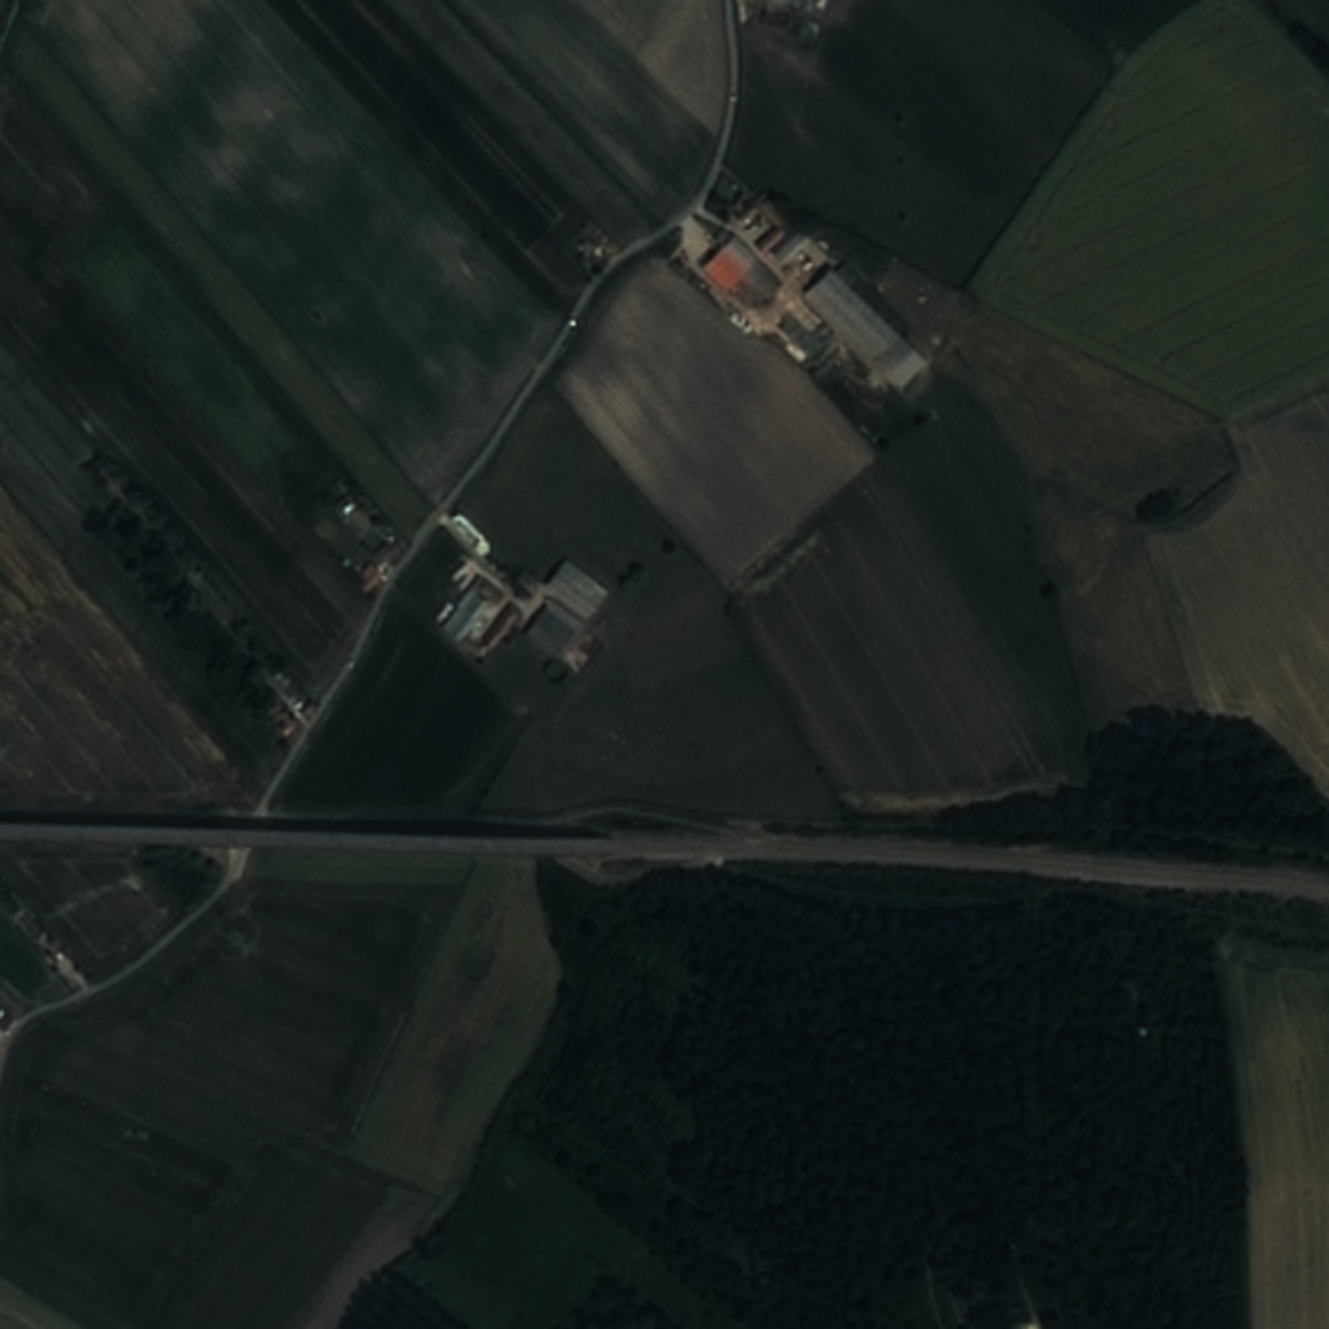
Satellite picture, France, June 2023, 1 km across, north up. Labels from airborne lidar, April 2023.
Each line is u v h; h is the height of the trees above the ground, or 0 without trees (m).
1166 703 0
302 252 0
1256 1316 0
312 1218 0
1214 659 0
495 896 0
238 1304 0
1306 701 0
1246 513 0
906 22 0
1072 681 0
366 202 0
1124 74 0
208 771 0
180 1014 0
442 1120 0
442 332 0
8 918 0
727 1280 17
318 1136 0
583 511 0
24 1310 0
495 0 0
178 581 7
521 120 0
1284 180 0
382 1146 0
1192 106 0
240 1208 0
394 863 0
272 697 6
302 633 0
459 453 0
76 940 0
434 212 0
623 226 0
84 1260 0
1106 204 0
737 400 0
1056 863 0
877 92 0
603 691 0
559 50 0
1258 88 0
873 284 0
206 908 0
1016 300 0
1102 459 0
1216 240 0
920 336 0
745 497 0
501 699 0
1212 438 0
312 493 0
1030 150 0
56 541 0
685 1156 18
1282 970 0
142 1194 0
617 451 0
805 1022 18
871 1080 18
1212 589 0
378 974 0
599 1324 23
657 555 0
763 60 0
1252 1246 0
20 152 0
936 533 0
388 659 0
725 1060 22
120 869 0
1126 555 0
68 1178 0
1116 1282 7
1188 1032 10
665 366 0
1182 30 0
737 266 0
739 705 0
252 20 0
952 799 0
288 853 0
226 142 0
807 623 0
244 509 0
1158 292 0
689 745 0
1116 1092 10
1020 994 23
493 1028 0
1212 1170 8
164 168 0
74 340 0
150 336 0
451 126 0
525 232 0
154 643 0
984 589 0
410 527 0
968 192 0
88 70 0
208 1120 0
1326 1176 0
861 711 0
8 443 0
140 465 0
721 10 0
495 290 0
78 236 0
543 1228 0
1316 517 0
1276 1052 0
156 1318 0
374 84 0
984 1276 15
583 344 0
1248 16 0
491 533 0
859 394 0
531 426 0
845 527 0
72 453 0
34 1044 0
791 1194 20
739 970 17
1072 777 0
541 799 0
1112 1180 6
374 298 0
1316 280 0
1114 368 0
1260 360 0
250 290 0
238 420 0
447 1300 0
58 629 0
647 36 0
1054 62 0
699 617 0
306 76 0
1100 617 0
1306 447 0
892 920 18
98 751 0
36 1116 0
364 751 0
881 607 0
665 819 0
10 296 0
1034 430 0
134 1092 0
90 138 0
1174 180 0
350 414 0
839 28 0
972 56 0
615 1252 0
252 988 0
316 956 0
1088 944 15
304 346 0
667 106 0
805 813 0
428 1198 0
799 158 0
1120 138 0
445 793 0
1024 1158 24
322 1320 0
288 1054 0
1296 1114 0
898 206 0
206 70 0
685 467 0
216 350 0
